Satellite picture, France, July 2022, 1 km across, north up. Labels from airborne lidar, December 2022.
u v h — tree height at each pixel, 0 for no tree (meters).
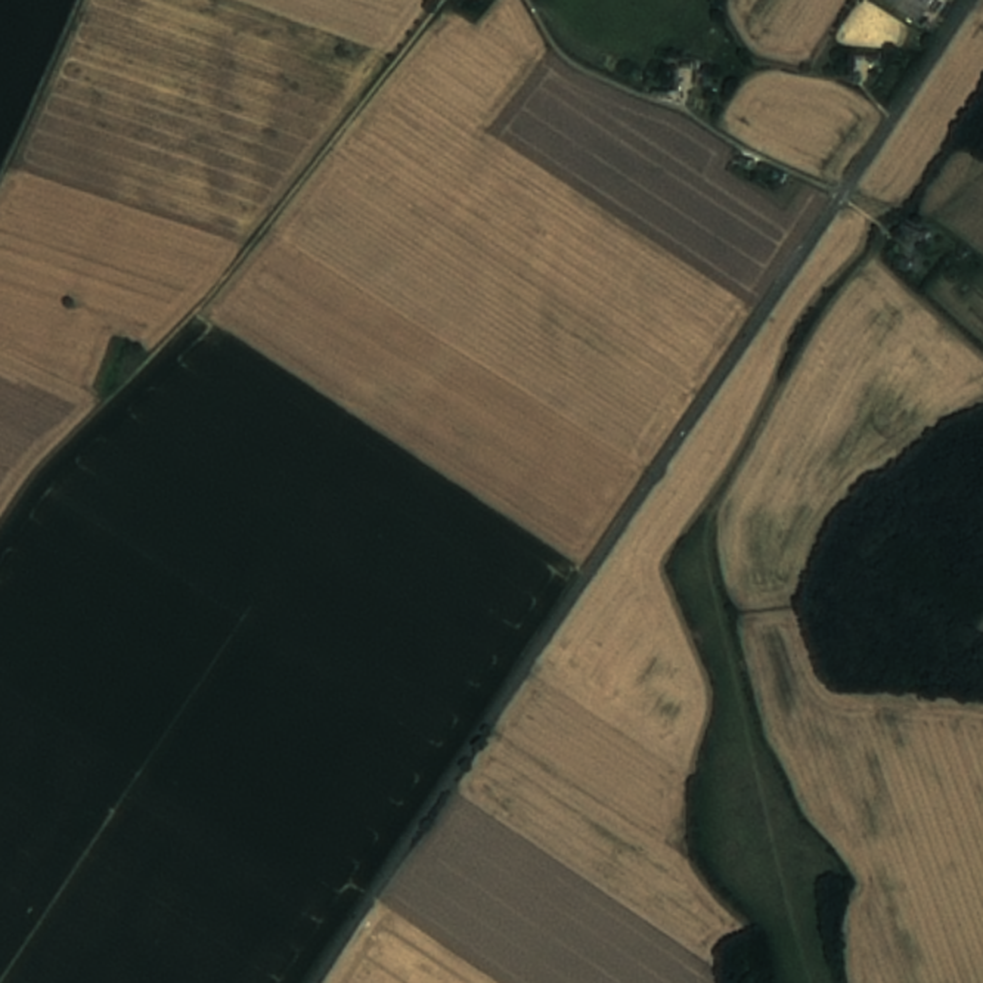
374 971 0
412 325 0
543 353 0
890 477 17
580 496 0
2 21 0
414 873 0
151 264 0
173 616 0
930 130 0
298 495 0
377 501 0
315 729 0
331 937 0
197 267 0
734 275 0
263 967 0
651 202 0
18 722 0
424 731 0
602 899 0
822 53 0
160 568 0
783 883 0
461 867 0
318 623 0
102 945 0
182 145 0
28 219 0
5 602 0
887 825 0
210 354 0
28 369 0
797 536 0
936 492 24
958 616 14
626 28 0
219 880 0
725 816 0
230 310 0
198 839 0
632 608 0
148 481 0
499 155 0
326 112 0
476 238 0
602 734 0
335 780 0
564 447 0
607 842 0
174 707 0
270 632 0
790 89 0
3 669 0
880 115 0
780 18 0
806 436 0
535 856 0
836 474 0
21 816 0
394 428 0
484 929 0
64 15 0
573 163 0
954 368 0
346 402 0
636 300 0
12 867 0
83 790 0
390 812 0
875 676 20
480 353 0
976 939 0
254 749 0
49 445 0
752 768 0
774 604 0
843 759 0
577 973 0
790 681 0
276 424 0
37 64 0
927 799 0
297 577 0
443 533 0
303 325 0
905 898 0
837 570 20
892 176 0
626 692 0
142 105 0
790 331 0
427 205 0
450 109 0
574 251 0
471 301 0
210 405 0
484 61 0
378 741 0
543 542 0
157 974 0
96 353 0
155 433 0
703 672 0
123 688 0
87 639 0
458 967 0
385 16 0
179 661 0
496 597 0
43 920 0
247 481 0
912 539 21
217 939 0
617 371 0
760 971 9
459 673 0
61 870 0
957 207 0
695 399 0
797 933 0
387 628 0
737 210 0
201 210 0
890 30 0
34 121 0
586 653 0
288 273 0
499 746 0
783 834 0
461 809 0
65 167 0
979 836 0
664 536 0
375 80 0
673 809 0
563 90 0
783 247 0
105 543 0
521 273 0
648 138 0
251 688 0
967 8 0
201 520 0
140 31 0
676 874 0
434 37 0
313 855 0
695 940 0
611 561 0
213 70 0
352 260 0
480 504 0
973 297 0
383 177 0
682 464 0
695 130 0
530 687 0
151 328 0
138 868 0
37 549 0
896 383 0
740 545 0
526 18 0
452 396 0
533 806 0
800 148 0
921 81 0
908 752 0
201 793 0
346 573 0
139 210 0
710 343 0
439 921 0
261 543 0
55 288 0
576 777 0
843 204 0
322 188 0
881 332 0
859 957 0
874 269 0
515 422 0
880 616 21
